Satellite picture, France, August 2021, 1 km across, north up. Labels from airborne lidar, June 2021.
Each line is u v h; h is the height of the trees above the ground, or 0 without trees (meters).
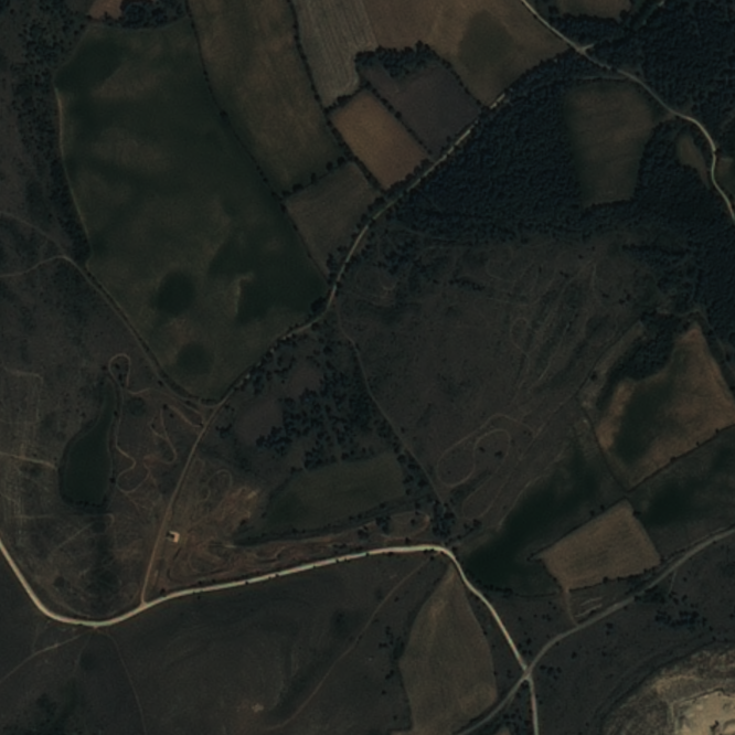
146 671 0
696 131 12
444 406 0
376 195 0
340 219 0
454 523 9
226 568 0
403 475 0
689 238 11
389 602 0
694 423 0
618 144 0
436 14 0
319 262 0
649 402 0
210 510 0
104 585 0
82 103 0
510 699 0
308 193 0
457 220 10
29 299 0
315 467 6
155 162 0
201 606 0
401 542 0
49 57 10
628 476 0
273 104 0
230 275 0
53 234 0
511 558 0
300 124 0
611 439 0
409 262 9
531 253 0
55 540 0
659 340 9
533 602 0
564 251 0
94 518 0
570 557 0
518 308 0
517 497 0
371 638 0
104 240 0
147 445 0
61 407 0
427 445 0
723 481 0
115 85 0
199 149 0
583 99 0
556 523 0
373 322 0
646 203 9
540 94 12
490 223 10
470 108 0
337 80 0
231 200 0
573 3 0
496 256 0
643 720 0
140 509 0
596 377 7
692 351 0
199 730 0
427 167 12
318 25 0
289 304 0
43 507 0
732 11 10
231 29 0
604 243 0
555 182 16
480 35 0
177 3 11
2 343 0
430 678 0
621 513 0
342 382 11
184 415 0
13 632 0
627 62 11
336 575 0
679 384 0
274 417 0
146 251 0
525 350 0
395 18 0
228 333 0
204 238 0
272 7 0
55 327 0
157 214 0
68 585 0
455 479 0
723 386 0
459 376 0
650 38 15
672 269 12
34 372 0
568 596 0
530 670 0
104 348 0
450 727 0
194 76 0
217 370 0
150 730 0
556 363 0
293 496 0
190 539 0
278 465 0
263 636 0
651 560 0
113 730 0
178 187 0
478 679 0
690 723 0
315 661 0
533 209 9
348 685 0
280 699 0
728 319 16
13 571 0
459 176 13
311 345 0
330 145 0
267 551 0
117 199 0
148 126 0
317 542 0
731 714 0
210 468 0
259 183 0
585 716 0
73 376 0
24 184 0
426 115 0
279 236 0
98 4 0
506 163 15
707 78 12
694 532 0
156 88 0
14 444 0
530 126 13
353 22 0
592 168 0
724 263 17
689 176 12
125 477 0
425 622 0
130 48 0
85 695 0
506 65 0
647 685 0
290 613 0
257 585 0
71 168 0
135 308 0
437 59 9
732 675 0
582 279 0
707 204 9
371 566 0
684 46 19
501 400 0
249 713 0
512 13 0
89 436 0
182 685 0
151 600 0
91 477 0
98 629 0
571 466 0
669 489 0
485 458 0
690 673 0
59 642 0
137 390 0
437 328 0
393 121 0
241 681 0
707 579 0
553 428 0
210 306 0
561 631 0
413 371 0
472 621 0
